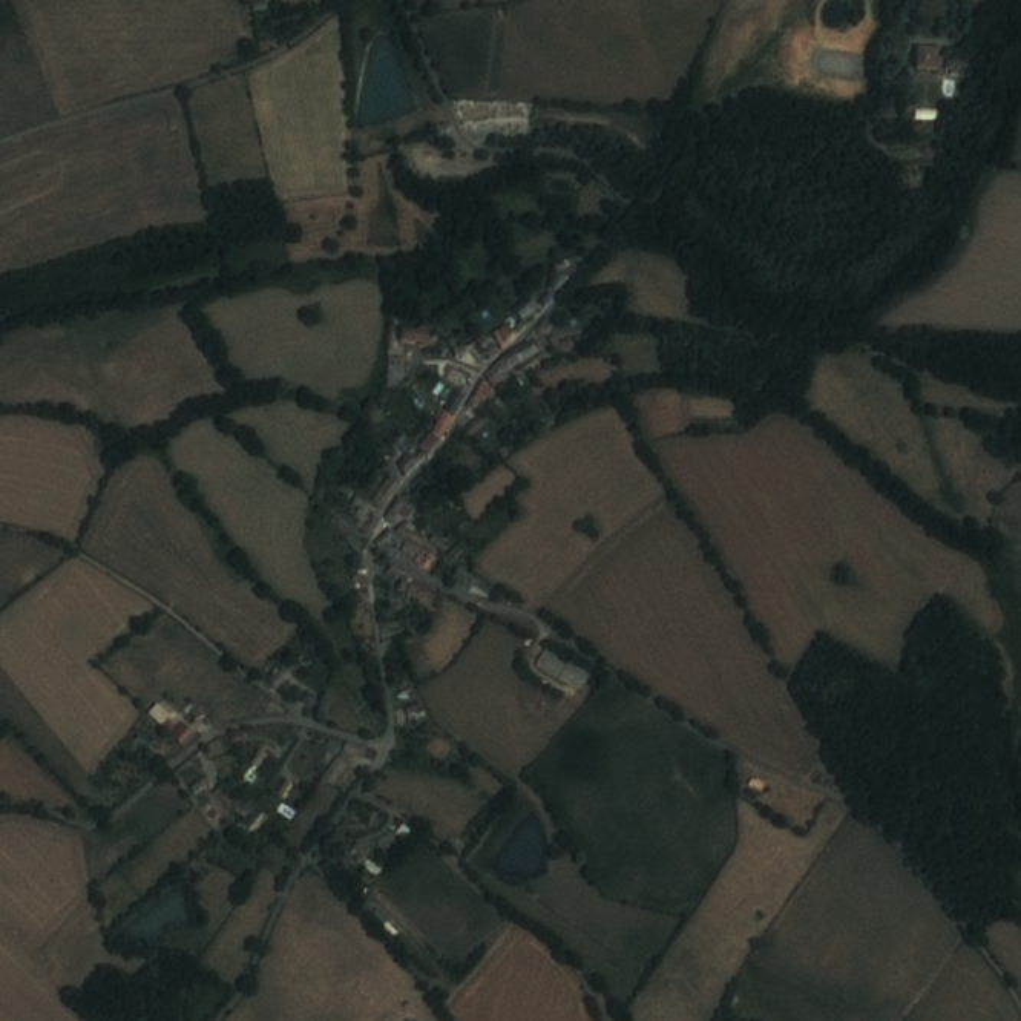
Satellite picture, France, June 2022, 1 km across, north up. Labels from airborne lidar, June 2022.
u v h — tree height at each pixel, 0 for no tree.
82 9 0
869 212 16
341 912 0
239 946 0
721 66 0
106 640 0
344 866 10
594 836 0
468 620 0
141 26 0
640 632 0
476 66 0
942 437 0
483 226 22
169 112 0
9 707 0
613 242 20
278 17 6
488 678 0
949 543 18
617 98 0
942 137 16
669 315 0
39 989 0
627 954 0
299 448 0
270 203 15
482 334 8
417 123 0
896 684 18
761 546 0
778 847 0
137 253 14
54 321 18
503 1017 0
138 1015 13
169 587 0
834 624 0
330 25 0
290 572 0
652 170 11
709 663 0
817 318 19
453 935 0
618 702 0
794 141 16
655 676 0
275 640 0
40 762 12
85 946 0
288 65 0
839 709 20
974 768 21
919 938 0
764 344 17
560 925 0
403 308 12
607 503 0
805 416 11
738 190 11
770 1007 0
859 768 17
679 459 0
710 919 0
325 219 0
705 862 0
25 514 0
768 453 0
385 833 0
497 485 0
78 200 0
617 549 0
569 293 16
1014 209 0
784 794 0
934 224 23
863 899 0
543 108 10
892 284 20
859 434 0
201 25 0
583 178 13
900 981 0
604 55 0
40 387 0
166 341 0
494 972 0
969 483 0
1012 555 0
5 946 0
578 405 13
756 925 0
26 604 0
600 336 15
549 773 0
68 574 0
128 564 0
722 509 0
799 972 0
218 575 0
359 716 0
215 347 22
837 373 0
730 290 25
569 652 13
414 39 16
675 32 0
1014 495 0
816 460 0
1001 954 0
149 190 0
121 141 0
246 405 16
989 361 20
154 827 0
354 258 15
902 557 0
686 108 18
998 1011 0
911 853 15
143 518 0
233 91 0
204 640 0
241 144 0
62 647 0
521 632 11
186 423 14
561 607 0
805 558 0
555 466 0
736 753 10
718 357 14
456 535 6
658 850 0
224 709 0
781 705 0
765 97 14
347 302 0
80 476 0
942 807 19
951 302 0
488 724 0
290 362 0
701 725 11
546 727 0
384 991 0
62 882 0
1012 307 0
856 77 0
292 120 0
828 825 0
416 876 0
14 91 0
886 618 0
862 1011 0
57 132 0
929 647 16
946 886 17
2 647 0
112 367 0
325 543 0
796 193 21
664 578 0
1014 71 20
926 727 20
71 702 0
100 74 0
